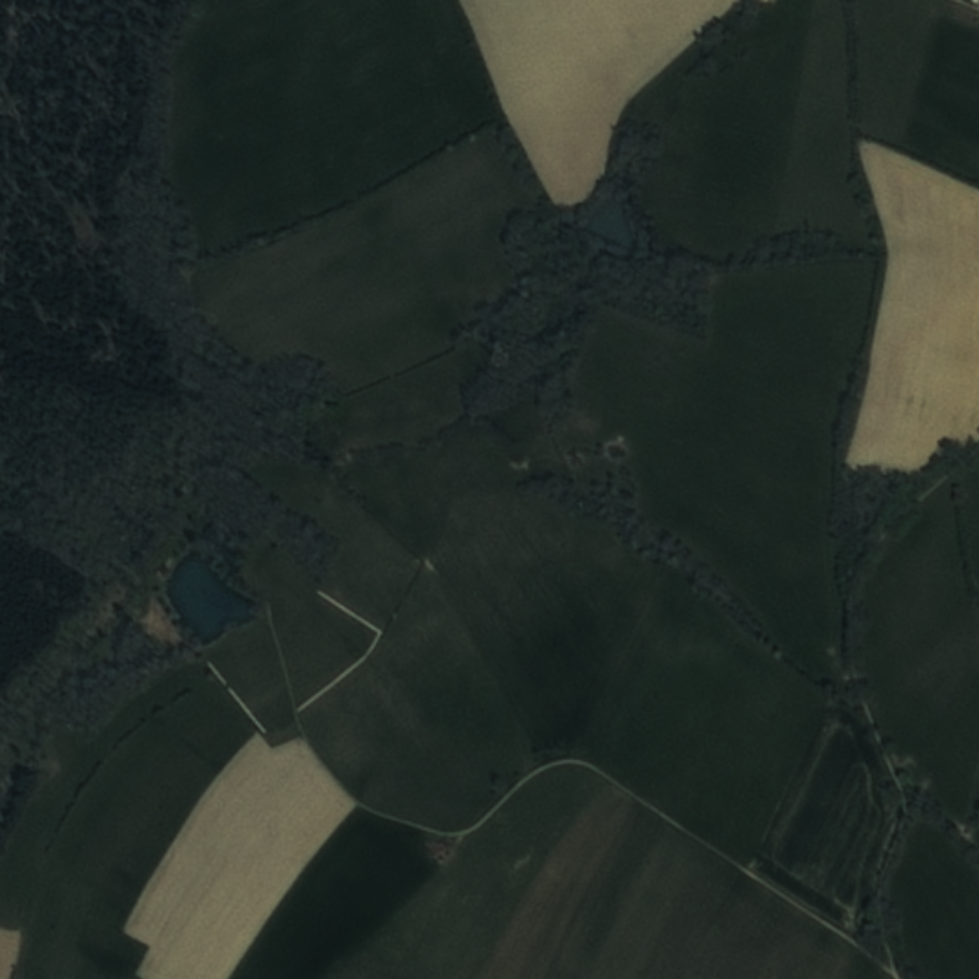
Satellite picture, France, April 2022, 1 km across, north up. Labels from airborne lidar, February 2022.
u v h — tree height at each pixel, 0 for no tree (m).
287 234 8
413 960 0
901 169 0
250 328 0
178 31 7
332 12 0
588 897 0
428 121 0
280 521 21
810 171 0
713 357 0
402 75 0
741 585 0
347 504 0
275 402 23
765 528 0
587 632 0
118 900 0
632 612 0
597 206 14
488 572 0
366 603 0
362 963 0
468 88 0
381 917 0
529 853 0
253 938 0
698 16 0
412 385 0
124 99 9
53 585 22
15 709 21
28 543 16
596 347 0
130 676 22
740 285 0
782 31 0
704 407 0
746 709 0
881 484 17
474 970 0
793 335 0
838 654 0
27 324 14
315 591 0
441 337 0
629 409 0
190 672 0
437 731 0
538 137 0
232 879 0
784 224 0
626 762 0
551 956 0
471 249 0
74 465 16
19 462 18
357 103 0
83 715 23
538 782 0
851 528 11
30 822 0
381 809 0
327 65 0
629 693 0
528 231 26
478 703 0
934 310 0
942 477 19
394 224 0
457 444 0
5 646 23
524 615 0
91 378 17
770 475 0
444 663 0
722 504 0
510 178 0
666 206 0
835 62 0
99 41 32
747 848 0
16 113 37
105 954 0
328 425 0
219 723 0
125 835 0
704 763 0
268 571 0
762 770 0
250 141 0
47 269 15
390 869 0
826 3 0
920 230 0
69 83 13
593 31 0
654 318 11
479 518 0
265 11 0
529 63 0
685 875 0
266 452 28
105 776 0
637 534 14
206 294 0
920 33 0
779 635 0
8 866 0
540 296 25
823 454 0
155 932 0
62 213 12
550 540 0
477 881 0
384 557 0
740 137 0
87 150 7
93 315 15
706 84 0
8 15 14
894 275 0
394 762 0
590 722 0
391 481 0
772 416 0
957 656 0
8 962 0
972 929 0
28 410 22
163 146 29
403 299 0
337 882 0
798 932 0
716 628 0
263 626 0
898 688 0
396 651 0
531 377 31
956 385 0
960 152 0
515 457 0
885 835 0
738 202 0
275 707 0
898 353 0
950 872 0
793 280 0
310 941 0
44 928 0
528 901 0
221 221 0
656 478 0
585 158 0
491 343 23
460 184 0
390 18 0
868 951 14
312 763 0
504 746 0
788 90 0
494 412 24
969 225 0
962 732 0
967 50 0
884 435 0
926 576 0
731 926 0
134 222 25
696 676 0
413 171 5
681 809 0
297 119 0
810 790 0
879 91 0
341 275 0
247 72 0
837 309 0
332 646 0
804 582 0
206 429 20
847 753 0
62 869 0
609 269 20
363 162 0
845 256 12
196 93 0
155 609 0
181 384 21
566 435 0
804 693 0
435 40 0
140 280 29
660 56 0
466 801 0
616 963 0
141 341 20
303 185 0
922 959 0
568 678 0
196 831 0
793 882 0
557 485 13
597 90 0
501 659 0
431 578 0
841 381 0
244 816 0
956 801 0
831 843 0
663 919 0
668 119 0
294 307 0
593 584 0
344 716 0
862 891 0
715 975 0
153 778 0
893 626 0
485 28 0
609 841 0
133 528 16
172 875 0
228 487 26
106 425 19
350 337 0
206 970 0
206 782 0
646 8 0
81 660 25
